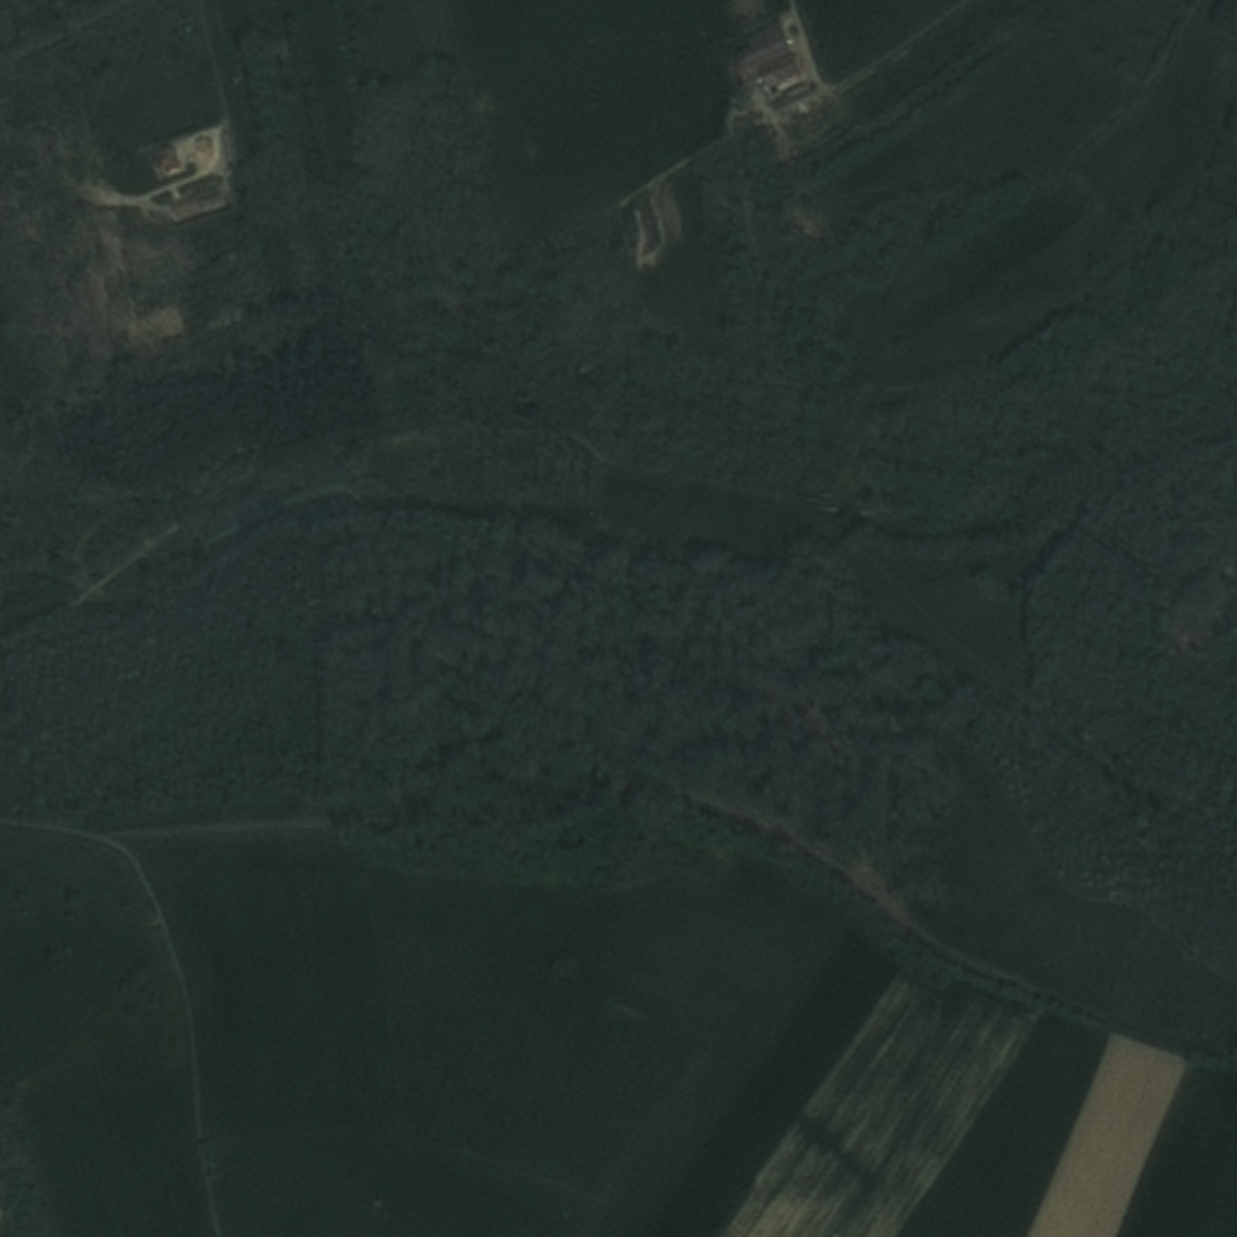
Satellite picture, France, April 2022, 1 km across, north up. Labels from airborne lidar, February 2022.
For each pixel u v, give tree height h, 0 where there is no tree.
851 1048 0
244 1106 0
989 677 0
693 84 0
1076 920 0
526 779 27
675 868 13
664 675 30
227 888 0
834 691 31
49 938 0
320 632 10
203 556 8
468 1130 0
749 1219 0
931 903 30
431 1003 0
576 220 0
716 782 32
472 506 0
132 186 0
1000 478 20
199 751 12
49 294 6
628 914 0
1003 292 0
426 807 0
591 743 31
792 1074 0
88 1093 0
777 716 27
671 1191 0
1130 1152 0
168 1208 0
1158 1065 0
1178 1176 0
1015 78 0
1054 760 17
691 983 0
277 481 24
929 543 16
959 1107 0
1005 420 26
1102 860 9
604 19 0
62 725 15
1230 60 0
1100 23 0
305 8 0
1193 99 0
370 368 29
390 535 27
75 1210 0
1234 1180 0
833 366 22
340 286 21
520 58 0
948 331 0
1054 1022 0
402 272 19
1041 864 0
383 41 0
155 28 0
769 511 0
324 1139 0
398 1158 0
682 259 0
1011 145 0
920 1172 0
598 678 29
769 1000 0
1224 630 31
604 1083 0
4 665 7
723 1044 0
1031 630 18
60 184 0
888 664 33
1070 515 22
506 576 31
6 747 16
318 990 0
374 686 33
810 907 0
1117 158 0
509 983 0
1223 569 28
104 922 0
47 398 20
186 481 12
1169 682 18
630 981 0
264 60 21
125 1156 0
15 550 20
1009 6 0
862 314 0
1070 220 0
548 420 11
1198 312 29
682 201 0
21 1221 6
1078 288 0
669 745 28
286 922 0
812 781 34
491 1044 0
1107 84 0
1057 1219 0
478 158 27
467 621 35
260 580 16
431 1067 0
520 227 0
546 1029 0
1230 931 13
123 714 15
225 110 0
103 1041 0
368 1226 0
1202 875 12
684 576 23
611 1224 0
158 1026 0
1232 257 28
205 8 0
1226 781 22
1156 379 27
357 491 6
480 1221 0
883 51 0
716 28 0
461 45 0
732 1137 0
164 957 0
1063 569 23
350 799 29
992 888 0
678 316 0
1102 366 34
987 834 0
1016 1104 0
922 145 0
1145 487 27
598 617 29
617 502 0
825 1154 0
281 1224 0
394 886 0
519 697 31
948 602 0
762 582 28
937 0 0
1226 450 23
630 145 0
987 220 18
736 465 23
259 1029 0
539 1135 0
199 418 30
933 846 31
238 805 17
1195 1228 0
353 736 29
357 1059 0
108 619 18
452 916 0
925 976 12
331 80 0
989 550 18
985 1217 0
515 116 0
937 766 31
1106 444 11
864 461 0
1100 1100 0
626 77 0
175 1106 0
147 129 0
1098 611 23
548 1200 0
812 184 19
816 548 24
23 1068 0
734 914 0
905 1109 0
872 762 32
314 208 11
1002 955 0
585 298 18
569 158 0
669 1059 0
